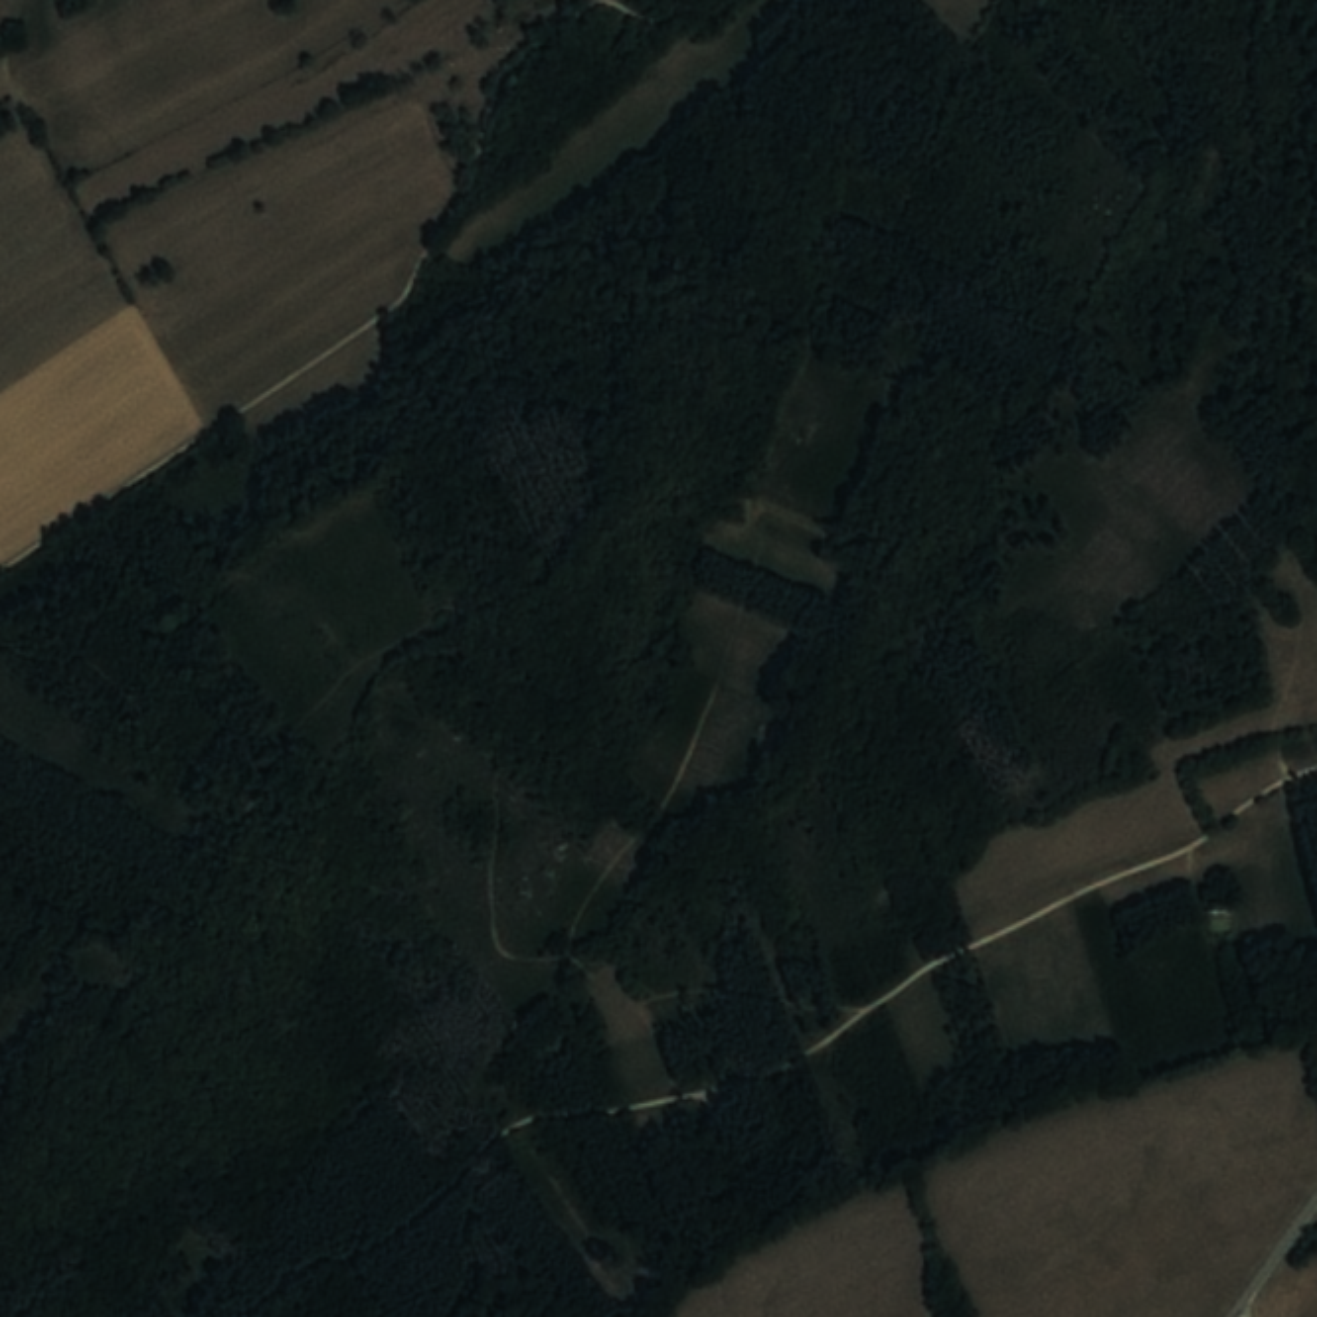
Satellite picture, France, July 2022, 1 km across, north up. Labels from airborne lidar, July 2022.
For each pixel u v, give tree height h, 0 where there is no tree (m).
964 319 20
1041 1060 25
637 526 12
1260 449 22
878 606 14
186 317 0
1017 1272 0
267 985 17
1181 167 10
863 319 25
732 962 24
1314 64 16
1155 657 21
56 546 10
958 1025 10
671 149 16
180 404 0
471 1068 26
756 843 15
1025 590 0
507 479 20
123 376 0
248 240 0
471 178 11
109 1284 21
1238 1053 12
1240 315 24
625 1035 0
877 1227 0
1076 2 10
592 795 18
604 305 20
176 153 0
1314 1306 0
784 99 24
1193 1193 0
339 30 0
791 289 19
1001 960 0
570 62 18
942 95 20
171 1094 11
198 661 16
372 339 0
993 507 17
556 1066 12
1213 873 10
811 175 20
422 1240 22
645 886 17
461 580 8
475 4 0
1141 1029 0
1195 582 14
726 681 0
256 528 18
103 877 10
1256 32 19
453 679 18
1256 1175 0
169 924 22
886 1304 0
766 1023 25
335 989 22
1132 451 0
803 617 23
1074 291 8
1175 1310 0
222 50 0
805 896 14
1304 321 21
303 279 0
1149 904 19
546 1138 9
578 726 23
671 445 14
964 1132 24
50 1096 16
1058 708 5
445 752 0
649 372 17
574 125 21
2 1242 19
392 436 26
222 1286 28
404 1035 22
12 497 0
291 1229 24
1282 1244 0
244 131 0
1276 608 17
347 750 10
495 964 0
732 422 20
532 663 21
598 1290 26
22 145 0
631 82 18
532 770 11
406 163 0
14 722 0
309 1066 24
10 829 10
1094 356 22
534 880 0
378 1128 20
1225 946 9
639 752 23
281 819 13
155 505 11
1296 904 0
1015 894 0
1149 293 15
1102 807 0
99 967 0
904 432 18
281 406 0
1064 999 0
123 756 8
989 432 15
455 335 24
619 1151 17
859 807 15
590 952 10
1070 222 0
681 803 0
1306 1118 0
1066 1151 0
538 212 0
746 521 15
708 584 24
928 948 10
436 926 8
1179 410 0
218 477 0
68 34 0
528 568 14
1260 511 17
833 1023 24
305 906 11
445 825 8
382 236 0
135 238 0
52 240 0
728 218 15
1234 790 0
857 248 26
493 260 23
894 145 20
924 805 17
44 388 0
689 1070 23
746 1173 20
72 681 8
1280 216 21
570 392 9
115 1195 19
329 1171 20
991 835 10
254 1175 25
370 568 0
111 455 0
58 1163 16
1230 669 18
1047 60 17
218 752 16
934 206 6
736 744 0
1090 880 0
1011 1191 0
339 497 22
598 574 19
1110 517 0
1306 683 0
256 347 0
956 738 6
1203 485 0
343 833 13
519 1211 24
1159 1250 0
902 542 14
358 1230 21
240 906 13
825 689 23
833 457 0
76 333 0
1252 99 8
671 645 23
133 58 0
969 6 0
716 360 21
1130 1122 0
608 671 18
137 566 6
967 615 19
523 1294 25
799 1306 0
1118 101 16
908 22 23
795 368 21
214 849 14
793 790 17
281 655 0
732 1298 0
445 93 0
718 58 0
